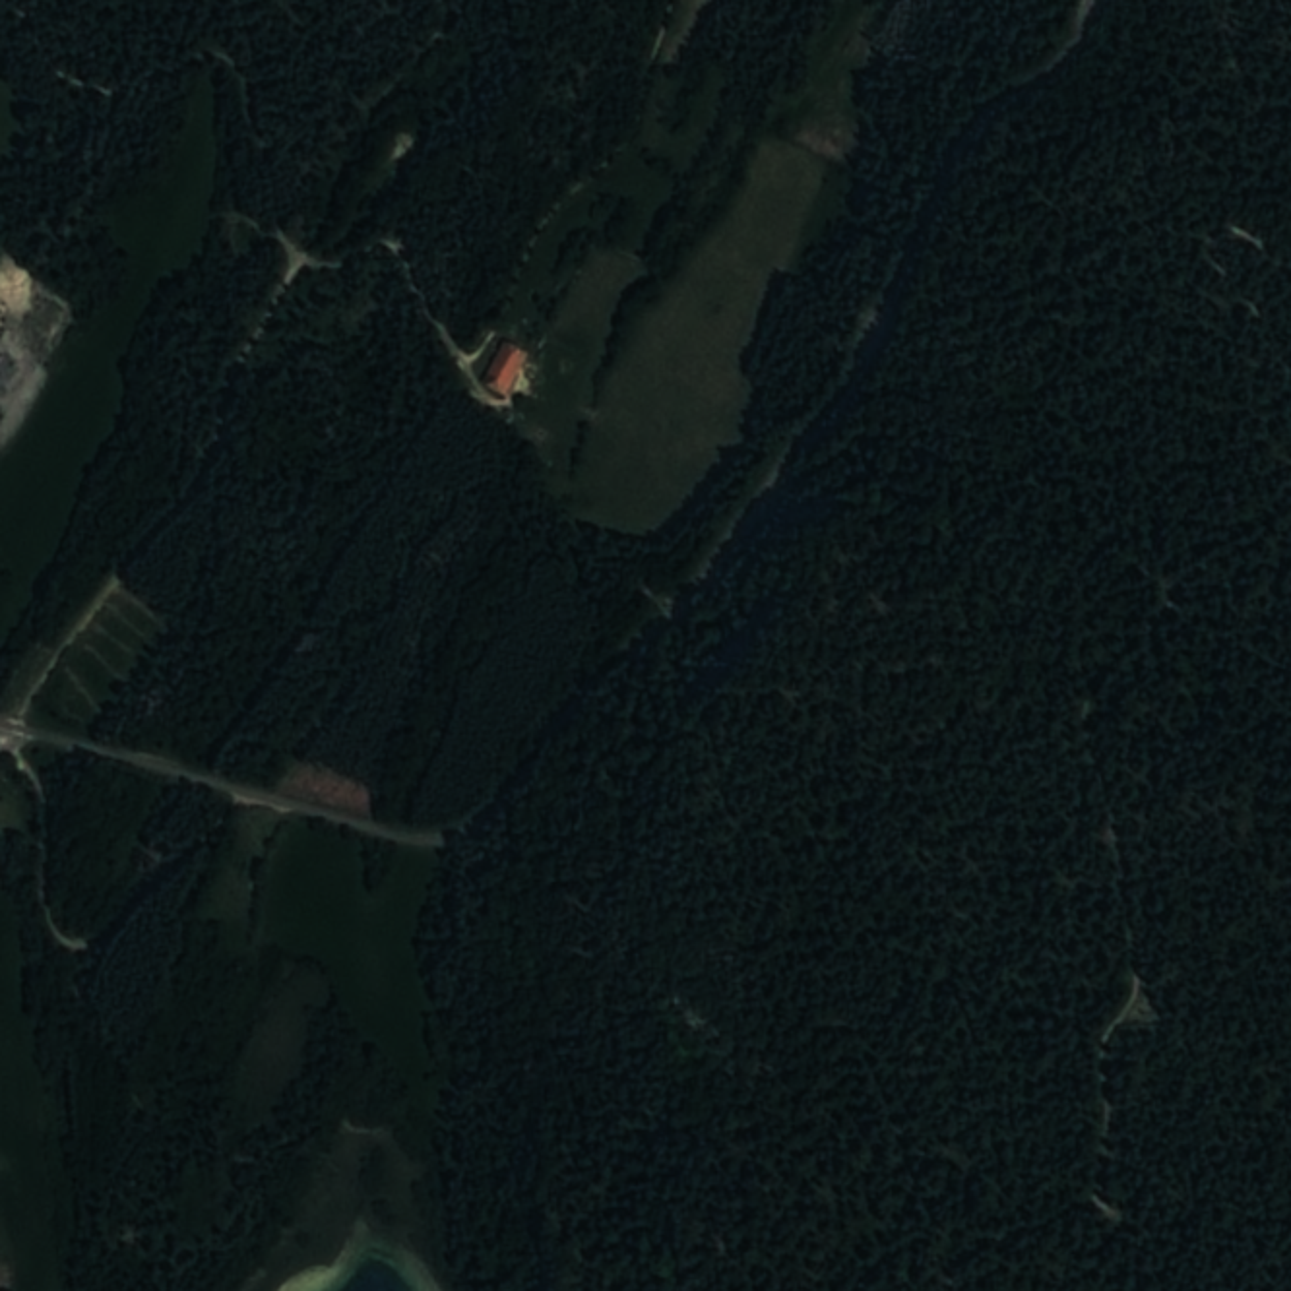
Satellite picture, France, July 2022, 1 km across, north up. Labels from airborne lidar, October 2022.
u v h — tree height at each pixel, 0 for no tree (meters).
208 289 14
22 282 0
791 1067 23
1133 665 6
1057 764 22
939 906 21
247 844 0
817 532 14
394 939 0
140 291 0
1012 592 18
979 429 17
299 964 11
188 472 22
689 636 28
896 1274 22
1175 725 28
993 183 18
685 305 0
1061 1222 13
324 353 26
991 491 27
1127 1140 7
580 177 18
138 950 30
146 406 15
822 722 12
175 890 28
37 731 0
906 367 16
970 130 14
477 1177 22
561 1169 13
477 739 25
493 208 15
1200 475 24
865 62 0
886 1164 31
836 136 0
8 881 23
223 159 6
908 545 17
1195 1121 25
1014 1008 16
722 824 11
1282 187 9
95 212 18
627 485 0
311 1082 9
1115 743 25
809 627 17
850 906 25
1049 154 20
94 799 19
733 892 23
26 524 0
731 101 12
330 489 16
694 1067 22
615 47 15
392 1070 10
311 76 14
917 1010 25
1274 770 33
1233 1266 24
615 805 26
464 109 25
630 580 26
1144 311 32
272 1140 24
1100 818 26
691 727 25
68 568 15
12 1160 0
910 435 31
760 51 16
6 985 0
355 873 0
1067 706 25
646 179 0
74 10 19
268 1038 0
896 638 20
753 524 10
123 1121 12
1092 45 8
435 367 27
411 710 27
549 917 13
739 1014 15
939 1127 14
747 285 0
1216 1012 19
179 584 28
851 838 7
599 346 0
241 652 18
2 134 0
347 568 27
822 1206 14
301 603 8
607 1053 24
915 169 28
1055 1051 25
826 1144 23
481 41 20
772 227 0
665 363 0
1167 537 31
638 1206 31
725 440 0
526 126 19
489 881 31
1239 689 34
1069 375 19
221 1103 16
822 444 27
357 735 27
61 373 0
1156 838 7
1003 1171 26
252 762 19
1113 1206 32
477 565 14
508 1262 15
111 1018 27
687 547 22
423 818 24
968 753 19
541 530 18
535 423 0
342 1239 0
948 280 19
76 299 8
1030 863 15
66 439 0
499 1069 25
